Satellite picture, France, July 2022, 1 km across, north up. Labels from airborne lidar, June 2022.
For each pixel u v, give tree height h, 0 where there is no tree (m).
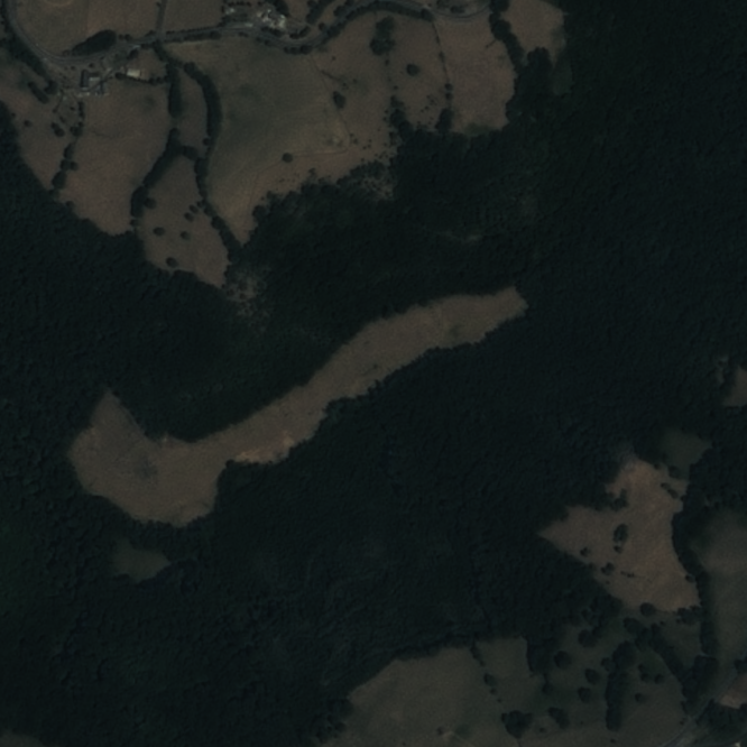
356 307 11
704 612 13
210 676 25
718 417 17
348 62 0
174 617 28
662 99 12
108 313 22
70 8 0
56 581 26
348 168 0
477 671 0
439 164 17
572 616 15
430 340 0
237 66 0
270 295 13
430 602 7
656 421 22
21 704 21
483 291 21
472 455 20
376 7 11
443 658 0
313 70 0
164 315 14
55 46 0
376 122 0
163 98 0
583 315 25
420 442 21
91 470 0
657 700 0
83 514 22
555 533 0
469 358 19
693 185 22
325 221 9
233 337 13
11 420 22
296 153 0
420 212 14
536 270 21
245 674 22
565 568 21
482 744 0
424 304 15
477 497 24
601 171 10
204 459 0
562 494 24
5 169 19
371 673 7
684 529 19
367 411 17
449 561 7
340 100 15
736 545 0
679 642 0
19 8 0
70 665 28
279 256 11
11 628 23
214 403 20
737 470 22
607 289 25
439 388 22
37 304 21
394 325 0
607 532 0
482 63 0
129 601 29
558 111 8
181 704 16
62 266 14
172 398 14
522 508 26
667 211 22
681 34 12
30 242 19
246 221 0
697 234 27
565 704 0
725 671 0
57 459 24
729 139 27
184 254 0
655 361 20
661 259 22
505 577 23
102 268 19
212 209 11
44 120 0
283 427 0
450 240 10
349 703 14
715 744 0
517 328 20
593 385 24
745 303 21
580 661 0
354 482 7
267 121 0
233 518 13
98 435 0
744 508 7
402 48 0
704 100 22
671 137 22
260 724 21
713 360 11
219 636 21
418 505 7
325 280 11
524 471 25
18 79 0
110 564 16
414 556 8
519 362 22
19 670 23
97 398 18
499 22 12
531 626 26
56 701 26
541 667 17
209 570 25
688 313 22
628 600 0
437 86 0
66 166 15
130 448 0
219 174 0
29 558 20
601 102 12
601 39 8
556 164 13
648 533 0
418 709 0
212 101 15
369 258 13
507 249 18
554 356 30
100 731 26
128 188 0
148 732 11
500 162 13
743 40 11
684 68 11
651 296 21
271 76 0
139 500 0
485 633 6
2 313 27
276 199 9
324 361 18
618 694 21
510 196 15
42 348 27
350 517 11
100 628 28
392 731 0
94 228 15
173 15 0
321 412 0
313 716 8
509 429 26
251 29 0
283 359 14
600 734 0
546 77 14
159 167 16
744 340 16
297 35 10
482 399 22
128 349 27
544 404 23
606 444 14
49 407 21
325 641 6
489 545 21
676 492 10
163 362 19
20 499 25
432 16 13
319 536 6
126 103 0
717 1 13
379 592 7
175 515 0
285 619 9
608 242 23
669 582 0
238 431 0
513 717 13
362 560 6
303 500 6
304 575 8
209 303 13
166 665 19
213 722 19
